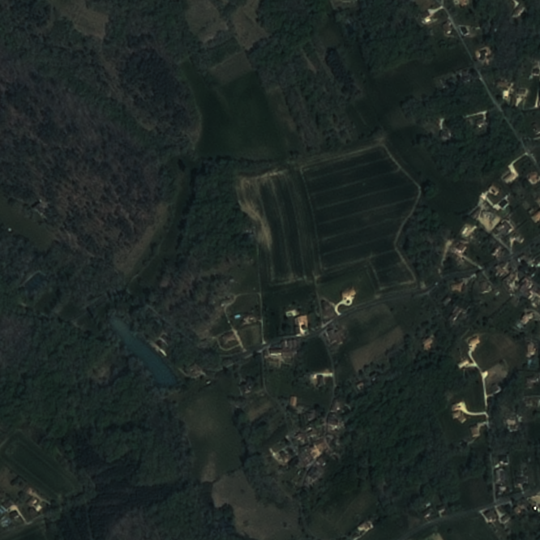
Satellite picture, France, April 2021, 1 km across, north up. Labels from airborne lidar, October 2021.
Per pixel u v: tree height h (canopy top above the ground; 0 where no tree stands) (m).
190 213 17
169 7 22
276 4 21
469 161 19
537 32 14
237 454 0
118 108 10
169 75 25
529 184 17
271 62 21
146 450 25
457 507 19
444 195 0
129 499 12
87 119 16
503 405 27
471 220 14
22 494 9
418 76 0
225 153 0
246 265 0
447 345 18
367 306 0
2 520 0
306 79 17
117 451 22
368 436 23
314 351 0
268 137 0
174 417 20
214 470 0
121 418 25
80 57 17
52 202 23
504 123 14
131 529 14
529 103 0
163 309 22
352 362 0
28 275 17
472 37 0
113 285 19
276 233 0
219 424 0
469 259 0
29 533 0
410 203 0
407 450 29
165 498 7
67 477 0
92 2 12
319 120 14
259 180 0
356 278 0
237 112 0
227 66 0
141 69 20
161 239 13
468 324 10
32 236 0
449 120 12
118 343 16
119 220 24
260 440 6
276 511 0
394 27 27
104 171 11
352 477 23
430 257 20
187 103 20
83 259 21
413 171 0
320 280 0
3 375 14
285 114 0
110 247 20
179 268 8
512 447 23
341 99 12
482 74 11
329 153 0
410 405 18
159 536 10
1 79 12
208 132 0
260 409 0
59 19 15
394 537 0
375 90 0
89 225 8
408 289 0
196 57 16
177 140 12
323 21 18
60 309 17
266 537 0
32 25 14
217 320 0
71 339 22
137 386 24
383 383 20
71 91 19
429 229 9
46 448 20
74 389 15
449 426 0
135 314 18
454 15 10
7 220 0
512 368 0
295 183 0
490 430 13
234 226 18
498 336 0
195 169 0
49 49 14
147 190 12
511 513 13
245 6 12
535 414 10
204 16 0
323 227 0
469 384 11
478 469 22
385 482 16
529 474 0
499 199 0
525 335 8
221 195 14
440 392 24
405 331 0
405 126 0
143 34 11
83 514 10
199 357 18
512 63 12
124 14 15
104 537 9
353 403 18
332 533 0
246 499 0
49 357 18
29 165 15
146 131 10
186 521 22
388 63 17
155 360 0
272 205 0
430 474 25
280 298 0
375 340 0
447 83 8
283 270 0
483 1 25
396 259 0
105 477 11
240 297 0
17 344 17
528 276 7
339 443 6
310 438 7
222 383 0
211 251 15
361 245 0
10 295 23
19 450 0
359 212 0
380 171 0
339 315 0
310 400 0
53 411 20
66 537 11
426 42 21
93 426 13
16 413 23
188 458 20
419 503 18
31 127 18
